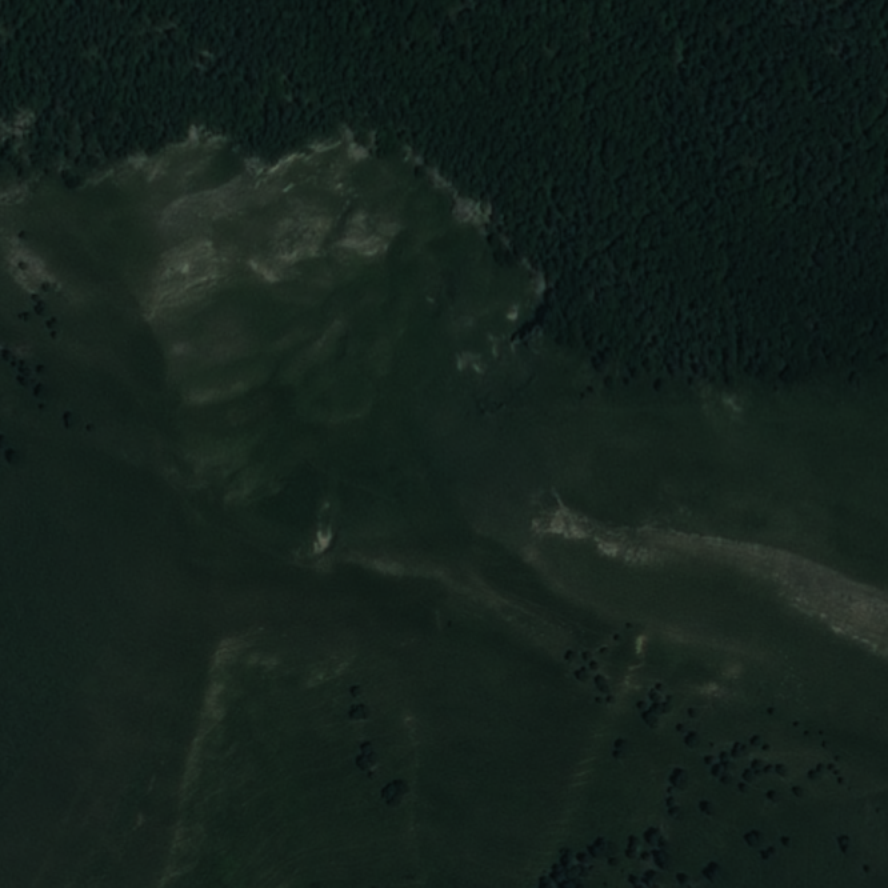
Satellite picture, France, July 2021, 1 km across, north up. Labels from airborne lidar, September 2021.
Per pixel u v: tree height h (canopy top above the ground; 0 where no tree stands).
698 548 0
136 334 0
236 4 16
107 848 0
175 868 0
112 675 0
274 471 0
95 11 15
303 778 0
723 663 0
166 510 0
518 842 0
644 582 0
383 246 0
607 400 0
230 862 0
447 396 0
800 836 0
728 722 0
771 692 0
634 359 12
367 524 0
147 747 0
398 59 11
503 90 21
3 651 0
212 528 0
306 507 0
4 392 0
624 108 11
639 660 0
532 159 18
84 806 0
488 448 0
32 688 0
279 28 18
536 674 0
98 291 0
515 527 0
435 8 16
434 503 0
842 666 0
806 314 18
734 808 0
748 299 18
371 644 0
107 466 0
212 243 0
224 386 0
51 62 11
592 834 0
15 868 0
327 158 0
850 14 25
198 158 0
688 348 17
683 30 21
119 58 16
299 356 0
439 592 0
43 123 13
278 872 0
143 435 0
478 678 0
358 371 0
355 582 0
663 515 0
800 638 0
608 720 0
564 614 0
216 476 0
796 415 0
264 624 0
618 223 16
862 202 21
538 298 0
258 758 0
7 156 14
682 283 18
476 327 0
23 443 0
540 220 16
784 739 0
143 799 0
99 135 10
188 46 18
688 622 0
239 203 0
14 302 0
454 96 16
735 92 20
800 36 18
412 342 0
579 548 0
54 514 0
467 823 0
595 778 0
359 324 0
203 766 0
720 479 0
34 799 0
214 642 0
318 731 0
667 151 14
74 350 0
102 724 0
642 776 0
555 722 0
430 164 10
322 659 0
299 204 0
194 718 0
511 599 0
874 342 15
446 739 0
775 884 0
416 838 0
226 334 0
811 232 22
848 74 25
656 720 24
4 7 9
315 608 0
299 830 0
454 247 0
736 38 8
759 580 0
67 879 0
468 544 0
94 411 0
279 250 0
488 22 17
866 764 0
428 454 0
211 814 0
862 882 0
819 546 0
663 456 0
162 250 0
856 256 21
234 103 15
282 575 0
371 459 0
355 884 0
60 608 0
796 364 10
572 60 17
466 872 0
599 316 16
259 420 0
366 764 26
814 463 0
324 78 9
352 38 11
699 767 0
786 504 0
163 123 8
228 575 0
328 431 0
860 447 0
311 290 0
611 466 0
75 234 0
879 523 0
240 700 0
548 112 12
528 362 0
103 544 0
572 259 14
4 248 0
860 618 0
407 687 0
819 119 19
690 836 0
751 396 0
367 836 0
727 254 16
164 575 0
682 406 0
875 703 0
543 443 0
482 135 16
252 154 9
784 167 20
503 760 0
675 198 17
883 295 17
